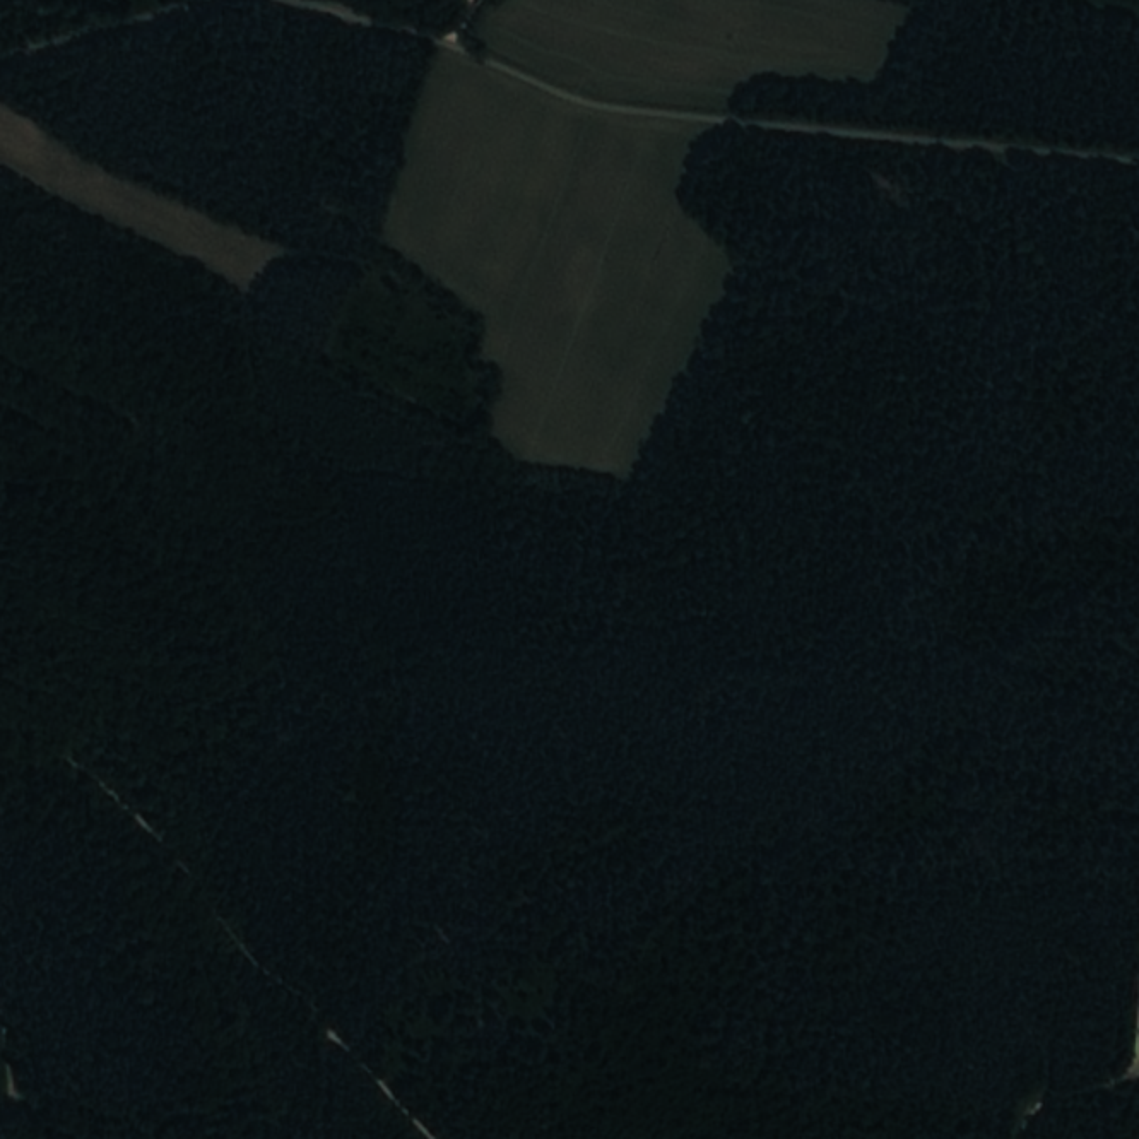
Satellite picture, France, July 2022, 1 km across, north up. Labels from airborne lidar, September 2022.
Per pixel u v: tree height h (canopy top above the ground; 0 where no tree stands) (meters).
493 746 35
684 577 18
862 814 19
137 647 28
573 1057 16
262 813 21
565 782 25
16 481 22
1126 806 18
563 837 20
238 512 14
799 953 22
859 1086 19
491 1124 14
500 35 0
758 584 17
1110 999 19
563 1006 19
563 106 0
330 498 17
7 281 16
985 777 30
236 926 11
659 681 27
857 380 14
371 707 23
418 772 25
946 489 28
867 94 25
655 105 0
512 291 0
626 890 28
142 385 18
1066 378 12
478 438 19
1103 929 19
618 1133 6
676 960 12
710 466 12
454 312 18
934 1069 21
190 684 23
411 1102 16
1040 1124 14
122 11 17
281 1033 21
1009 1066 18
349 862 14
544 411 0
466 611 23
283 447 16
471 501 18
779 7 0
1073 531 15
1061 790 27
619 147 0
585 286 0
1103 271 17
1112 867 28
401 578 22
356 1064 20
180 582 23
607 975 26
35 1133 22
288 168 24
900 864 11
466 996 11
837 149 14
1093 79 22
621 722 31
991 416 16
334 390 10
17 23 11
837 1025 16
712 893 16
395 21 19
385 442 13
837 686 21
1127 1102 10
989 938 20
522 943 21
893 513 26
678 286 0
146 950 27
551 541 24
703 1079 9
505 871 29
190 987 23
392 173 17
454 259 0
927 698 26
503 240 0
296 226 23
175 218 0
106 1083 32
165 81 23
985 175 12
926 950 19
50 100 25
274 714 25
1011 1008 20
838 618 21
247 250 0
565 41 0
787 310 17
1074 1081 15
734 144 21
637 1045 11
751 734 29
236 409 18
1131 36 17
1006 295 22
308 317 25
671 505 21
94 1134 23
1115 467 24
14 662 17
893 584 16
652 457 21
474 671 29
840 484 17
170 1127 25
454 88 0
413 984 25
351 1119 21
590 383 0
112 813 17
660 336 0
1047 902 18
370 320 0
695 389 18
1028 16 23
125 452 20
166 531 23
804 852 22
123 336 16
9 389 20
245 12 28
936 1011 19
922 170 6
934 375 17
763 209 17
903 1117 8
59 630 16
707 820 28
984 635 9
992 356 25
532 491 22
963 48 22
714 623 14
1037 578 10
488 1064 21
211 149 24
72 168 0
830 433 21
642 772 19
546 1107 11
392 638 19
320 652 24
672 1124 7
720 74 0
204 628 25
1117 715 17
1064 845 19
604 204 0
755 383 17
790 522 19
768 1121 14
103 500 17
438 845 27
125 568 26
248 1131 28
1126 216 13
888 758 25
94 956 32
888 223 26
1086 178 20
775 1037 20
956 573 27
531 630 17
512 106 0
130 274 15
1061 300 16
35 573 21
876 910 18
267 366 14
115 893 24
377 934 17
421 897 21
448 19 14
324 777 23
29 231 18
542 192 0
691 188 16
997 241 26
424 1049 8
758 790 24
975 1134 9
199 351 16
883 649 19
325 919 17
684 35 0
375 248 17
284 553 15
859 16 0
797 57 0
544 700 31
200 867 14
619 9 0
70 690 23
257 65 11
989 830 26
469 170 0
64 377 19
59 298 10
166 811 19
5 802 25
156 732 18
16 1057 12
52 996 34
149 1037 31
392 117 15
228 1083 19
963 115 22
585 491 14
